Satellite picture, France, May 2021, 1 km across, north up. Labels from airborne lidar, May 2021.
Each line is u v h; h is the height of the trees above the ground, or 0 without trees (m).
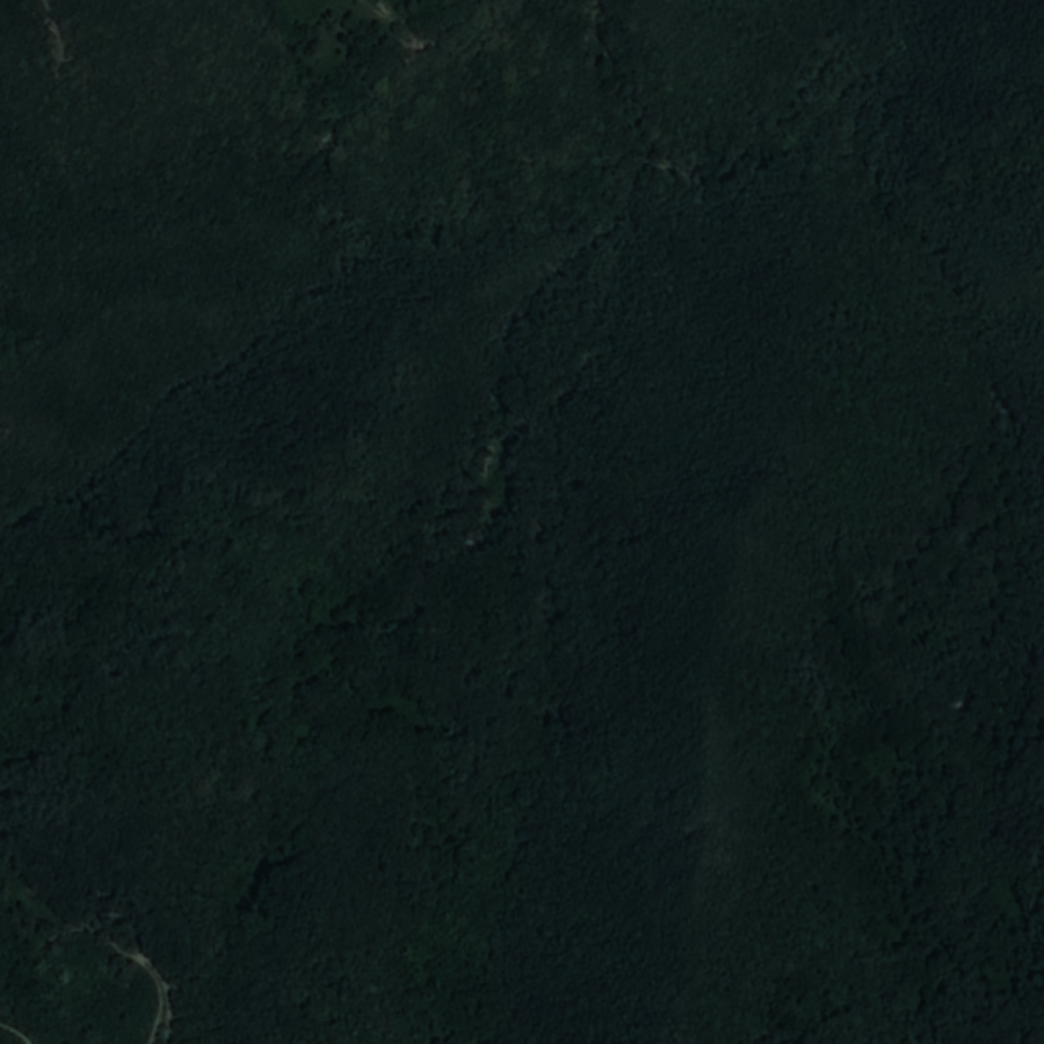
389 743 19
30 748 9
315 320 18
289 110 14
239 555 10
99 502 20
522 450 21
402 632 34
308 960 13
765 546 8
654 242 16
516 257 11
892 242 22
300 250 8
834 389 10
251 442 19
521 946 18
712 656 11
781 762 8
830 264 17
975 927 13
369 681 23
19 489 18
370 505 13
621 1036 7
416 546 23
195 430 15
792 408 14
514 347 21
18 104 10
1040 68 8
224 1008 21
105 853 19
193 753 14
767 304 14
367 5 0
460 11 8
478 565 22
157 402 21
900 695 15
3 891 12
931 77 12
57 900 21
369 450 10
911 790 12
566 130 10
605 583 16
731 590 9
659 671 14
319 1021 16
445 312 11
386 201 13
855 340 15
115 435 13
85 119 7
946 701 11
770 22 14
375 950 13
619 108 21
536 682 21
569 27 16
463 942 7
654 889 8
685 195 21
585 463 17
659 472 10
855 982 19
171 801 19
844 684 14
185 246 9
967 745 23
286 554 8
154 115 10
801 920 20
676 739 10
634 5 13
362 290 16
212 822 14
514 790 7
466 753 17
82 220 14
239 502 13
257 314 11
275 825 27
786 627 10
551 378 10
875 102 20
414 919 16
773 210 15
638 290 16
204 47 9
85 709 18
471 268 14
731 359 16
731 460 10
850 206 21
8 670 18
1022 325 12
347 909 12
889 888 21
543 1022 16
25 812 25
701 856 7
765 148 24
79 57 7
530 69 13
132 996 7
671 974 10
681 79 9
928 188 12
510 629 17
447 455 21
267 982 7
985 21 14
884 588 20
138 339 10
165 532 19
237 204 24
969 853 21
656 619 18
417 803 13
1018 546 22
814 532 11
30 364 10
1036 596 11
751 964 14
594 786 17
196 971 20
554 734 25
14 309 12
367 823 18
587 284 9
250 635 10
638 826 7
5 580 19
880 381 15
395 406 12
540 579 17
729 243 17
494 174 10
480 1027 18
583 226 23
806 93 20
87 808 18
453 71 9
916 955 20
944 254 19
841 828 20
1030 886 19
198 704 14
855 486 12
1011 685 24
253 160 17
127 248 9
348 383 18
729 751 7
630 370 18
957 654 17
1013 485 22
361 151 14
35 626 23
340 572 12
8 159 10
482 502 20
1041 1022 17
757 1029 8
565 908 17
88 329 6
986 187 15
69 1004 5
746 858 14
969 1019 16
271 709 19
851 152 18
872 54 12
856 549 13
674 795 13
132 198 14
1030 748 20
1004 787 22
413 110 12
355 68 8
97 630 25
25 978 16
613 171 16
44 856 17
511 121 13
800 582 10
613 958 12
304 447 17
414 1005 15
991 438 24
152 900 17
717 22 10
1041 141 15
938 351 17
